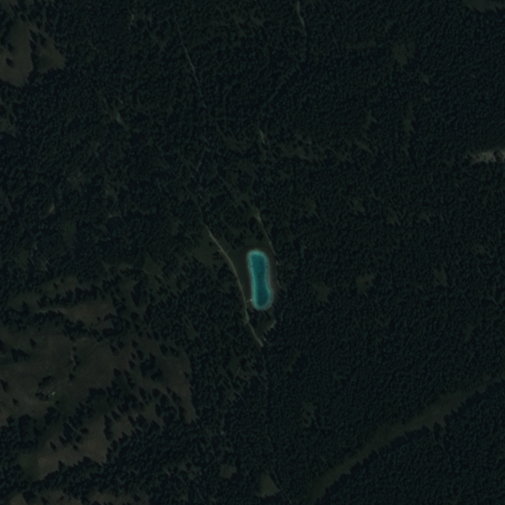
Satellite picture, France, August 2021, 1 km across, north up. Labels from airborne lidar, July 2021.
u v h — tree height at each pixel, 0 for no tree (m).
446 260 21
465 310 21
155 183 22
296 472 24
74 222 24
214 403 22
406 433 0
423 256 20
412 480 20
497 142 17
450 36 14
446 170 23
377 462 19
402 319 22
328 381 26
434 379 22
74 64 25
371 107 17
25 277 27
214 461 25
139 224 26
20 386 0
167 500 25
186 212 24
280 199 26
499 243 20
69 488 7
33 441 0
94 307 0
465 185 22
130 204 22
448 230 18
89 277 24
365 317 25
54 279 13
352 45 18
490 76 13
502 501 21
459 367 25
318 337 25
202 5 20
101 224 23
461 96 18
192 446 14
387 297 22
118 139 27
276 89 17
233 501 23
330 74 20
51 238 27
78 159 24
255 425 21
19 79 0
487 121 12
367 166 22
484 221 17
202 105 16
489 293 15
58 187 24
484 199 21
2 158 20
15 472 21
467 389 23
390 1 13
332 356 22
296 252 24
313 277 23
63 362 0
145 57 17
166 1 19
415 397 20
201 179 24
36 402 0
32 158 22
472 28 15
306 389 24
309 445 22
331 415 24
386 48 15
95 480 21
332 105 20
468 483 19
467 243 20
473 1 0
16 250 20
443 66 15
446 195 20
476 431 17
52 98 28
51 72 0
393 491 20
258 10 17
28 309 15
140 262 24
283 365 23
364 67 16
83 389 0
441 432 23
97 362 0
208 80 16
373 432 25
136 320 22
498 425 17
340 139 18
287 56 11
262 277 0
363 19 18
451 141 18
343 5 15
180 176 22
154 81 21
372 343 23
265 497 0
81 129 27
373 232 23
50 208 22
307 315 24
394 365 26
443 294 19
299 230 23
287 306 20
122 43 17
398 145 18
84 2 20
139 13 17
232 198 28
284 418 23
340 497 21
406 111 16
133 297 0
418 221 22
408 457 23
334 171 23
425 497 23
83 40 22
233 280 20
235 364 0
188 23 18
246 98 13
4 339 0
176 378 0
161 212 26
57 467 0
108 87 26
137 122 23
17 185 24
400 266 22
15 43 0
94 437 0
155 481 14
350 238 23
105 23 19
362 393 24
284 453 28
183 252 27
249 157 11
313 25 17
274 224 8
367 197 25
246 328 18
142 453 14
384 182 19
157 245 23
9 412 0
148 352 0
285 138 20
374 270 22
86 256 23
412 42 13
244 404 23
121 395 23
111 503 0
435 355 23
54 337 0
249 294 0
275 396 19
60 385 0
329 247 18
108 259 22
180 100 21
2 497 13
